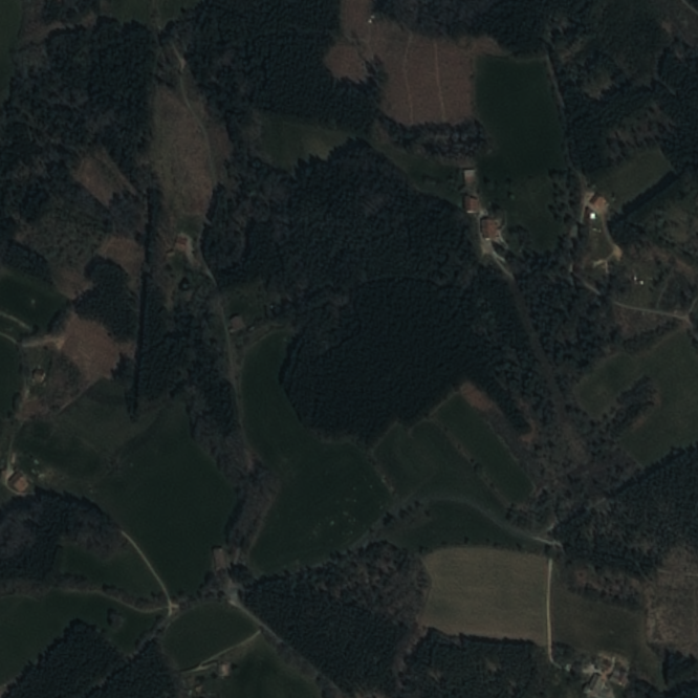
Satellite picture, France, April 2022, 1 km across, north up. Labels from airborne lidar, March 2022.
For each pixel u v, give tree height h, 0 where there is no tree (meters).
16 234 14
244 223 32
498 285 15
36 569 24
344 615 20
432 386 20
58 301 0
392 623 18
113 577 0
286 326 8
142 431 0
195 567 0
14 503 0
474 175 0
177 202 0
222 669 0
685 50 11
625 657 0
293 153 0
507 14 31
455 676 27
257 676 0
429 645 18
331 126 31
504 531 0
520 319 16
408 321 21
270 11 30
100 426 0
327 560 0
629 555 19
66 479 0
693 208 0
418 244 26
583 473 0
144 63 31
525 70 0
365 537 0
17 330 0
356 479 0
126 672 17
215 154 0
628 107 26
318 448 0
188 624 0
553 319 19
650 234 9
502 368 23
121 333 26
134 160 21
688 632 0
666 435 0
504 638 0
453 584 0
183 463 0
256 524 15
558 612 0
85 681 23
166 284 18
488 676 20
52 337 15
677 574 0
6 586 11
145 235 6
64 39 23
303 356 21
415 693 18
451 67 26
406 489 0
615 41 6
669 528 18
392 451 0
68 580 13
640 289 0
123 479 0
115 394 0
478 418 0
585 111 30
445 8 27
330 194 17
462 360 21
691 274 0
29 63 15
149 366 30
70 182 30
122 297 26
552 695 0
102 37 23
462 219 26
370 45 0
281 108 31
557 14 21
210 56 27
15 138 8
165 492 0
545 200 0
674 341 0
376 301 22
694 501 16
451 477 0
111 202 0
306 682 0
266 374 0
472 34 26
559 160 0
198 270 15
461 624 0
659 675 0
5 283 0
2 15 0
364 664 23
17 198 11
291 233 22
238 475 24
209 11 25
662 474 20
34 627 0
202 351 25
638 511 21
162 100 0
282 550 0
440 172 0
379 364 20
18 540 26
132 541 0
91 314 27
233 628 0
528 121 0
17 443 0
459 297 17
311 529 0
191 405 7
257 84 33
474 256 27
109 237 19
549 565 0
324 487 0
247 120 31
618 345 17
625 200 0
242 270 16
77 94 30
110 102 20
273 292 19
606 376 0
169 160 0
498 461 0
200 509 0
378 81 31
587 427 8
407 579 16
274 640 16
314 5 26
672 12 0
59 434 0
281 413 0
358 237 24
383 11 6
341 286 25
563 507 15
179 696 19
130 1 0
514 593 0
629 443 0
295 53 34
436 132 11
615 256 0
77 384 7
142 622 0
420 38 23
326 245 22
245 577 18
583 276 13
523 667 27
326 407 18
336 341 20
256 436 0
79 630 22
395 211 26
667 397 0
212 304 19
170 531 0
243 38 27
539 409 10
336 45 31
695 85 21
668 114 23
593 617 0
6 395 0
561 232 0
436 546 0
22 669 0
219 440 23
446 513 0
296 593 10
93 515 30
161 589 0
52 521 26
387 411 18
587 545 19
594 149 27
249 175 21
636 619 0
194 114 0
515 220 0
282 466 0
